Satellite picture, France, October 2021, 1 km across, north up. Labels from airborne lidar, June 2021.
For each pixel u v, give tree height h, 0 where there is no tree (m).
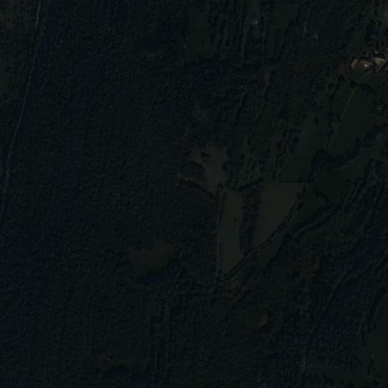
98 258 20
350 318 14
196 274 14
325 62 14
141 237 12
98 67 10
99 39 7
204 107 17
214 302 11
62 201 8
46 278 11
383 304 0
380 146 0
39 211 9
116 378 19
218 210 10
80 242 16
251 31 9
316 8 13
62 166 11
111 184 9
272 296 20
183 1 13
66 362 9
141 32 19
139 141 10
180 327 19
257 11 0
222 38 7
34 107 15
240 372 20
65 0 13
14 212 21
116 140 9
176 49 23
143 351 16
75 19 14
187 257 18
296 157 0
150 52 26
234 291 8
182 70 17
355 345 13
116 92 10
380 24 13
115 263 20
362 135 0
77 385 10
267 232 0
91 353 11
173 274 20
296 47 19
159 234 14
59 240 15
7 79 0
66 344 8
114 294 10
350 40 22
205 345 8
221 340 14
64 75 14
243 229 8
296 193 0
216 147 9
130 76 12
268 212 0
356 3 22
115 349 17
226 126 14
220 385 20
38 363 17
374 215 7
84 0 11
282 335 24
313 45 14
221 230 0
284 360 19
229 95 16
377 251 16
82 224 15
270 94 15
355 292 15
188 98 19
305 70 16
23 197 18
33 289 11
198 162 0
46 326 16
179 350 15
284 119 20
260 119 11
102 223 13
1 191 11
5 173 8
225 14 17
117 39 18
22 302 9
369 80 0
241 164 12
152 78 17
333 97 11
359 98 0
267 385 17
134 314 14
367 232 9
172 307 0
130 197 9
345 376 0
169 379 20
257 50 12
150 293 14
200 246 19
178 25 24
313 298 9
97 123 16
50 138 12
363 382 0
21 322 8
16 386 11
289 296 26
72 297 12
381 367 0
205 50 0
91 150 14
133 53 15
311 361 13
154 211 13
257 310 12
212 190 0
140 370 0
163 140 15
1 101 7
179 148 15
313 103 13
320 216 16
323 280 18
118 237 15
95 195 6
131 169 8
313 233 20
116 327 12
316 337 13
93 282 12
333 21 17
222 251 0
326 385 15
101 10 10
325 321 10
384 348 0
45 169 9
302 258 22
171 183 14
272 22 14
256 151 10
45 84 16
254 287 14
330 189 0
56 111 17
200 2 19
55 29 12
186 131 12
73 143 6
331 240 21
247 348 15
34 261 13
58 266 18
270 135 14
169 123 11
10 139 9
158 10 17
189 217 15
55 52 18
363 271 17
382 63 0
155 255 0
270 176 0
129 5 14
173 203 12
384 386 0
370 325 12
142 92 12
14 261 19
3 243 16
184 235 15
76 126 8
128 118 11
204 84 20
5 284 13
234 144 18
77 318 7
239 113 11
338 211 17
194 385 15
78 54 7
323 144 0
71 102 15
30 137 15
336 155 0
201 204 19
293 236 14
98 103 14
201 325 14
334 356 11
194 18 0
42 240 12
